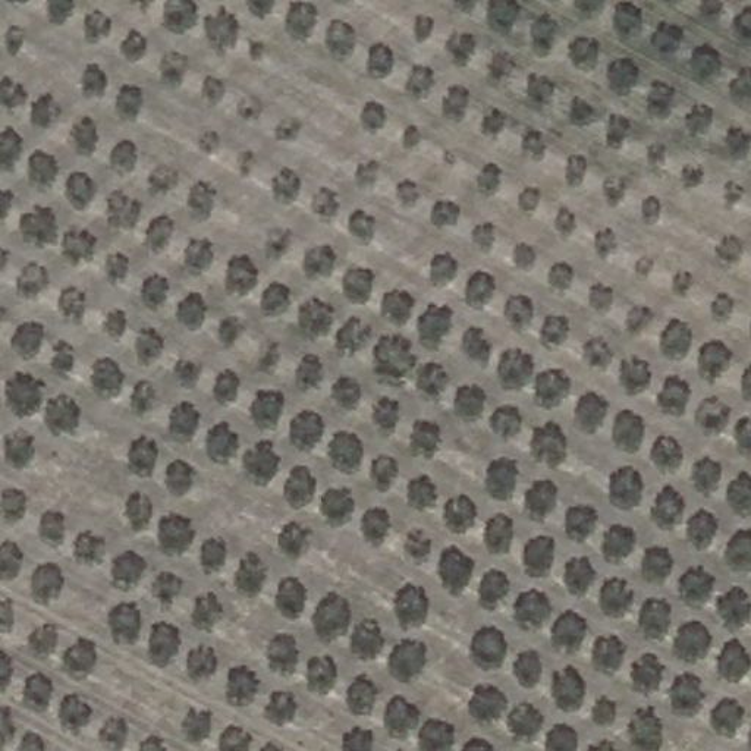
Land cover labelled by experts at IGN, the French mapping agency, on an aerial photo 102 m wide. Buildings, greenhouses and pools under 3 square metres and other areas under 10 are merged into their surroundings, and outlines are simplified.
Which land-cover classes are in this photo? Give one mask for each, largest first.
<instances>
[{"label":"herbaceous vegetation","instance_id":"1","mask_svg":"<svg viewBox=\"0 0 751 751\"><path fill-rule=\"evenodd\" d=\"M197 26L205 29V18L226 9L238 18V38L246 44H267L273 32L285 23L290 3L299 0H194ZM317 6V21L329 26L337 18L349 21L355 26V47H364L370 53L373 44H387L393 50V65L405 67L408 73L417 65H425L446 47L452 35L469 32L475 35V50H487L493 56H496V53H508V56H513V59H516V70H513L510 76H505V79H493V76H490L487 70L466 88V106L484 117V132L499 135L502 129H510L522 138V147L531 155L540 158L543 153H557L566 158H569V155H584V158H587V170L601 176V185L607 191L619 182V176H625L634 185L640 176H657L663 161H648V153L634 161L622 158L619 147L607 141L610 117L622 114L631 120L625 141H640L645 150L663 144L666 155H675L681 167H698L701 179L707 185H719L728 202L751 199V147L739 158H719L707 153L710 144H719L733 126L751 135V100L736 103L730 97V82L739 67H751V0H628L640 6L642 23L631 35H619L613 26V12L625 0H519L516 23L499 32L487 21L490 0H302ZM537 15L554 18L557 38L549 53L537 50L531 38ZM657 23L681 26L684 35L675 53L660 56L651 44V32L657 29ZM581 35L598 41V56L590 67L575 65L569 56V44ZM701 44L716 47L722 65V70L707 82H695L692 76V50ZM616 59H634L640 67V79L628 94H616L607 82V67ZM534 73L554 79V94L543 109H537L528 97V76ZM657 79L675 85V103L663 117L648 109V94ZM41 205L53 208L56 214V232L50 243L26 241L21 232V217ZM91 217L85 208L70 202L67 182L56 176L50 185H35L29 179V164L18 158L9 170H0V496L12 487L23 490L26 496V510L21 519H6L0 510V543L12 540L23 552L18 575L0 578V707H9L15 719V733L9 742L21 748L26 733H38L44 739V751H220V733L229 725L249 730V751H343V733L352 728L373 730L370 751H411L420 745V736L408 730L405 736H396L387 730V704L376 698L370 713H352L346 698L329 704L326 692L311 689L308 669L296 663L293 672H279L270 666L267 657V648L276 634H290L296 628L314 625V610L320 598L329 593L343 596L349 601V610L358 604L370 619H378L381 657L390 660L399 640L425 642V669L414 678L420 689H434L446 704H469L475 686H499L505 692L499 719H508L519 704H534L543 713L537 736L549 739L554 725H572L578 733L575 751H640L628 736V725L640 707H654L663 725L660 751H751V745H736L733 733L716 730L710 716L722 698H736L742 704L739 725L751 730V689L745 692L739 681L722 678L716 663L728 640H739L751 657V613L742 625H725V616L719 613V598L728 590L739 587L745 590L751 604V569L730 566L725 549L736 531L751 528V510H733V505L728 502V487L739 472L751 475V326L733 329L722 340L730 349V364L719 373V378H707V373L698 370V358L686 352L678 358L666 355L660 346V334L648 326L637 334L628 329V323H604L598 317L601 308L590 302V287L584 282L572 279L569 287H554L552 282L531 285L528 267L516 264L513 258L510 264L499 267L490 273L496 290L484 305H469L466 290L452 296L446 305L452 311V326L437 346H425L420 337V317L425 314V308L414 302L408 320L396 323L381 308L384 296L373 290L364 302L349 299L343 290V276L334 267L326 276L308 273L305 252L302 246L290 243L282 255H276L270 246H261L249 255L258 270V279L249 287L252 293L264 296V290L276 282L290 287L287 308L267 314L264 326L296 323L299 308L308 299H323L334 305L329 329L317 337H308L305 349L311 355L320 358L323 370L314 387H305L296 378L299 364L296 358H279L276 340H270L261 349L255 337L241 334L238 320L217 323L211 314H205L199 326H185L176 314L179 302L188 293L202 296L211 285L205 273H194L185 264V258L173 264L164 249H153L144 241L147 226L138 220L132 229H120L109 243L94 246V255L88 261H67L62 252L65 235L70 229H88ZM26 261L47 267V287L59 293L70 285L82 287L85 311H100L103 317H109L111 311H123V334H111L106 323L97 331H91L82 320L65 317L62 308L41 311L35 296L18 290V276ZM147 276L167 279V296L155 308L147 305L141 296V285ZM516 293L534 302L531 320L525 326H513L505 317V302ZM552 314L569 320V334L563 343H543V320ZM349 317H361L370 326V337L358 352L334 346L337 331ZM23 323L44 326V340L35 355H21L12 343L15 329ZM144 329H155L164 340L161 355H155L153 361H141L138 355V334ZM469 329H481L490 340V355L484 361H475L464 352V334ZM384 334H405L411 340V352L417 355V361L443 364L446 387L437 396H425L414 378L378 376L373 364V349ZM590 337H604L610 343V361L604 367L587 361L584 343ZM62 340L73 346V364H88L94 370L100 358L117 361V367L123 370L120 390L109 396L106 390H97L94 381L76 384L70 373L56 370L53 349ZM508 349L528 352L537 370H563V376L569 378L566 396L554 405H543L534 393V384L510 390L499 376V361ZM631 358L648 361L651 370V381L637 393H628L619 378L622 361ZM226 370L238 373L241 384L232 402H220L214 396V381ZM18 373L41 378L38 408L26 417L15 414L6 396V384ZM343 376L361 384V399L355 408L340 405L331 393L337 378ZM669 376H681L689 384V399L681 414H666L657 402L663 381ZM135 381H150L155 390V402L147 414H138L132 408ZM466 384L484 390V405L475 420H466L455 411V393ZM258 390H279L285 396L282 414L273 425H258L252 420V402ZM584 393H598L607 402L604 417L593 431H587L575 417V405ZM56 396H70L79 405L76 431H50L44 417L50 399ZM707 396H722V402L730 408L728 422L719 431L704 428V422L695 420L698 405ZM378 399L399 402V420L393 431L381 428L373 417ZM182 402H191L199 414L197 431L191 437L173 434L167 428L173 408ZM505 405H513L522 414V425L513 437H505L490 425L493 411ZM302 411H314L323 417V434L311 449H299L290 440V422ZM619 411H634L637 417H642V440L637 449H622L613 440V422ZM422 420L440 425V446L434 455H420L411 446L414 425ZM220 422H226L238 434V446L229 461H211L205 449L208 431ZM546 422H557L566 434V458L560 464H546L531 452L534 428ZM337 431H349L361 440L364 455L355 469H337L331 464L329 449ZM18 434L32 437V458L26 466L9 464L3 452L6 437ZM660 434H672L681 443L678 466H660L651 458V446ZM135 437H150L158 446L153 472L132 469L129 446ZM261 440H270L279 458L276 475L264 484H258L255 475H249L243 466L246 452H252ZM381 455L393 458L399 469L390 487L384 490H378L370 472L373 461ZM499 458L516 461V484L508 499H493L487 493V466ZM701 458L722 464V475L713 490L695 487L692 469ZM173 461H185L194 469V484L188 493H173L167 487V466ZM293 466H308V472L314 475V493L305 505H290L285 493ZM619 466H634L642 475V496L634 508H622L610 499V475ZM420 475L431 478L434 484V502L428 508H414L408 499V484ZM534 481H554L557 487L554 508L546 516H534L525 508V496ZM340 487L352 496V513L340 525H334L323 513V496ZM663 487H675L684 496V510L672 528L657 525L651 516L654 499ZM129 493H141L153 502L150 522L141 531H135L126 516ZM455 496H469L475 502V522L466 531L449 528L443 516L446 502ZM575 505L596 508V525L584 540H572L566 534V510ZM373 508L387 510V534L408 540L411 531H422V537L431 540L428 554L411 557L405 546L399 552H387L384 543H370L364 537L361 522L364 513ZM47 510L65 513L62 543H50L38 531L41 516ZM698 510H710L716 516V534L707 546H695L686 534L689 519ZM170 513L188 516L194 525V540L185 552L161 549L158 525ZM496 513L513 519V540L508 552H493L484 540L487 519ZM287 522H302L308 528V546L299 557L287 554L279 543V534ZM613 525H625L634 531V549L619 560L604 557L601 549L604 534ZM82 531L103 537L100 557L91 563L79 560L73 552V543ZM534 537L554 540V557L546 575H528L525 569L522 552L525 543ZM205 540L226 543V560L214 572L205 569L199 557ZM654 546H663L672 554V569L663 581H645L642 575V557ZM446 549H461L472 560V575L461 593H452L440 578V554ZM123 552H135L144 557V575L138 578V584H123L111 578V563ZM249 552H255L264 566V584L255 596L241 593L235 581L238 566ZM572 557H587L593 563V581L584 593H572L563 578L566 563ZM41 563H59L65 575L62 593L47 601H38L32 596V572ZM692 566H701L713 575V590L704 601H686L678 587L681 575ZM493 569L508 575V593L496 607H484L478 593L484 575ZM164 572L182 578V593L173 601H161L153 590L155 578ZM285 578H299L305 587V604L299 616H287L276 604V593ZM607 578H625L628 590L634 593L628 610L619 616H607L598 598ZM408 584L422 587L428 593V616L420 625H402L393 607L396 593ZM528 590H540L552 601L540 628H519L513 616L519 593ZM205 593L217 596V601L223 604V613L211 628L194 625L191 616L194 601ZM645 598H666L672 607L669 628L663 631V637H645L640 628V610ZM120 601H135L141 610V631L132 642H117L109 628V610ZM563 610H572L587 619V634L578 648H560L552 640V628ZM47 622L56 625V645L50 654H35L29 645V634ZM155 622H170L179 628V648L167 666H155L150 660V634ZM684 622H701L710 631V648L698 660H681L675 654V640ZM487 625L505 634L508 651L499 666L484 669L475 663L469 642L472 634ZM598 637L622 640L625 654L619 669H598L593 663V645ZM76 640H91L97 648V666L91 672H67L62 660L67 645H73ZM199 645L214 648L217 669L208 678L191 681L188 654ZM522 651L540 654V681L534 686L522 684L513 672L516 657ZM645 654H654L663 666L660 684L648 692L637 689L631 675L634 663ZM235 666H249L258 675V692L246 704H232L226 698V681ZM566 666H575L584 678V701L575 710L557 707L552 692L554 672H563ZM38 672L53 678L47 707H32L23 698L26 678ZM678 675H698L701 681L704 698L695 713L672 707L669 695ZM276 689H290L296 698V713L290 722L267 719V704ZM70 692H76L91 707V719L82 728L62 725L59 707L62 698ZM188 710L211 713V730L199 742L188 739L185 733ZM109 719H126L123 748L100 739V730Z\"/></svg>","mask_w":751,"mask_h":751},{"label":"deciduous trees","instance_id":"2","mask_svg":"<svg viewBox=\"0 0 751 751\"><path fill-rule=\"evenodd\" d=\"M194 0H167L164 23L173 32L185 29L191 38L205 35L217 53L232 47L238 38V18L226 9L205 18V29L197 26ZM317 21V6L302 0H299L290 3L285 23L290 35L305 38ZM519 0H490L487 21L499 32L516 23ZM642 23L640 6L628 0H625L613 12V26L619 35H631ZM111 18L103 12H91L85 18V35L97 41L109 35ZM531 38L537 50L549 53L557 38L554 18L537 15ZM326 44L331 56H349L355 47V26L349 21L337 18L329 26ZM684 35L681 26L657 23V29L651 32V44L660 56L675 53ZM123 53L141 59L147 53V38L138 29H132L123 38ZM446 47L458 65H464L475 50V35L469 32L452 35ZM569 56L575 65L590 67L598 56V41L581 35L569 44ZM370 73L384 76L387 88H408L411 97H422L434 85V70L425 65H417L408 73L405 67L393 65V50L387 44H373L370 53ZM722 70V65L716 47L701 44L692 50V76L695 82H707ZM188 70V56L167 53L161 59V76L170 85H176ZM513 70H516V59H513V56H508V53H496V56H493V59H490V67H487V70L490 76H493V79H505V76H510ZM640 79V67L634 59H616L607 67V82L616 94H628ZM82 88L88 94H103L106 73L97 65H88ZM730 97L736 103L751 100V67H739L730 82ZM554 94V79L534 73L528 76V97L537 109H543ZM26 88L9 76L0 79V103L9 109L21 106ZM675 103V85L657 79L648 94V109L663 117ZM117 111L135 117L141 111V88L123 85L117 94ZM466 88L452 85L443 100V111L452 120H461L466 106ZM62 117V106L50 94H41L32 106V123L50 126ZM631 120L622 114L610 117L607 141L619 147L622 158L634 161L648 153V161H663L666 155L663 144L645 150L640 141H625ZM73 144L79 153H94L97 126L91 117H82L73 126ZM751 147V135L733 126L719 144H710L707 153L719 158H739ZM21 135L15 129L0 132V170H9L18 158ZM111 161H114V164H120V167H126V170H132V167H135V144H132V141H120V144H114V150H111ZM29 179L35 185H50L56 176V158L50 153H32L29 164ZM584 173H587V158H584V155H569V158H566V182H569V185H578V182L584 179ZM179 182V167L161 164L150 173V188L155 194L176 188ZM273 194L282 199H293L299 194V176L290 167H285L279 176H273ZM70 202L85 208L91 217L88 229H70L65 235L62 252L67 261H88L94 255V246L109 243L120 229H132L138 220L141 202L135 197L114 191L103 205L94 199V179L88 173H70L67 182ZM188 205L194 208V214L208 217L214 205V188L208 182H197L191 188ZM431 220L437 226H449L458 220V205L443 199L434 202ZM21 232L26 241L50 243L56 232V214L53 208L41 205L21 217ZM349 232L355 238L370 241L376 232V217L367 211H352ZM144 241L153 249H164L173 264L185 258V264L194 273H205L211 285L226 279L232 290H241L252 305L261 302L267 314L287 308L290 287L276 282L264 290V296L252 293L249 287L258 279V270L249 255H235L229 267H223L211 258V241L194 238L185 246L182 241H176L173 220L167 214L153 217L147 226ZM472 238L481 249L493 252V261L499 267L510 264L513 258L516 264L528 267L534 264V246L519 243L513 249L505 241H493V223H481L472 229ZM334 267L331 246H317L305 252L308 273L326 276ZM458 270V261L443 252L431 258L434 285L449 282ZM47 267L26 261L18 276V290L35 296L41 311L62 308L65 317L82 320L91 331H97L106 323L111 334H123V311H111L109 317H103L100 311H85L82 287L70 285L59 293L47 287ZM343 290L349 299L364 302L373 290V270L367 267H352L343 276ZM496 290L490 273H472L466 279V290L469 305H484ZM141 296L147 305L155 308L167 296V279L147 276L141 285ZM414 302L408 290H390L384 296L381 308L396 323L408 320ZM176 314L185 326H199L205 314L202 296L188 293L179 302ZM534 302L516 293L505 302V317L513 326H525L531 320ZM334 305L323 299H308L299 308L296 323L299 334L308 337H317L329 329ZM452 326V311L446 305L425 308V314L420 317V337L425 346H437ZM543 343H563L569 334V320L552 314L543 320ZM370 337V326L361 317H349L337 331L334 346L358 352ZM692 331L684 320H669L660 334V346L666 355L678 358L686 352ZM44 340V326L23 323L15 329L12 343L21 355H35ZM164 340L155 329H144L138 334V355L141 361H153L155 355H161ZM464 352L475 361H484L490 355V340L481 329H469L464 334ZM373 364L378 376L414 378L425 396H437L446 387L443 364L417 361V355L411 352V340L405 334H384L373 349ZM587 361L604 367L610 361V343L604 337H590L584 343ZM56 370L70 373L76 384L94 381L97 390H106L109 396L120 390L123 370L117 367V361L100 358L94 370L88 364H73V346L62 340L53 349ZM730 364V349L722 340L704 343L698 358V370L707 373V378H719V373ZM499 376L510 390L534 384V393L543 405H554L566 396L569 378L563 376V370H537L528 352L508 349L499 361ZM323 370L320 358L311 355H305L299 364L296 378L305 387H314ZM619 378L628 393H637L651 381V370L648 361L631 358L622 361ZM241 384L238 373L226 370L214 381V396L220 402H232ZM6 396L15 414L26 417L38 408L41 378L18 373L6 384ZM331 393L340 405L355 408L361 399V384L343 376L337 378ZM689 399V384L681 376H669L663 381L657 402L666 414H681ZM155 402V390L150 381H135L132 408L138 414H147ZM484 405V390L466 384L455 393V411L466 420H475ZM285 396L279 390H258L252 402V420L258 425H273L282 414ZM607 402L598 393H584L575 405V417L587 431H593L604 417ZM50 431H76L79 405L70 396H56L50 399L44 417ZM730 408L722 402V396H707L698 405L695 420L704 422V428L719 431L728 422ZM373 417L381 428L393 431L399 420V402L378 399ZM199 414L191 402H182L173 408L167 428L173 434L191 437L197 431ZM490 425L505 437H513L522 425V414L513 405H505L493 411ZM323 434V417L314 411H302L290 422V440L299 449H311ZM613 440L622 449H637L642 440V417H637L634 411H619L613 422ZM411 446L420 455H434L440 446V425L422 420L414 425ZM238 446V434L226 422H220L208 431L205 449L211 461H229ZM531 452L546 464H560L566 458V434L557 422H546L534 428ZM331 464L337 469H355L364 455L361 440L349 431H337L329 449ZM3 452L9 464L26 466L32 458V437L18 434L6 437ZM651 458L660 466H678L681 443L672 434H660L651 446ZM158 446L150 437H135L129 446L132 469L153 472ZM243 466L249 475H255L258 484H264L276 475L279 458L270 440H261L252 452H246ZM370 472L378 490H384L390 487L399 469L393 458L381 455L373 461ZM516 484V461L499 458L487 466V493L493 499H508ZM722 475V464L701 458L692 469L695 487L713 490ZM194 484V469L185 461H173L167 466V487L173 493H188ZM285 493L290 505H305L314 493V475L308 472V466H293ZM642 496V475L634 466H619L610 475V499L622 508H634ZM728 502L733 505V510H751V475L739 472L728 487ZM408 499L414 508H428L434 502V484L431 478L420 475L408 484ZM557 487L554 481H534L525 496V508L534 516H546L554 508ZM0 510L6 519H21L26 510V496L23 490L12 487L0 496ZM323 513L334 525H340L352 513V496L340 487L323 496ZM684 510V496L675 487H663L654 499L651 516L657 525L672 528ZM153 502L141 493H129L126 516L135 531H141L150 522ZM443 516L449 528L466 531L475 522V502L469 496H455L446 502ZM596 525V508L575 505L566 510V534L572 540H584ZM364 537L370 543H384L387 552H399L405 546L411 557L428 554L431 540L422 537V531H411L408 540L387 534V510L373 508L364 513L361 522ZM38 531L50 543H62L65 513L47 510L41 516ZM686 534L695 546H707L716 534V516L710 510H698L689 519ZM161 549L185 552L194 540V525L188 516L170 513L158 525ZM484 540L493 552H508L513 540V519L496 513L487 519ZM279 543L287 554L299 557L308 546V528L302 522H287L279 534ZM601 549L604 557L619 560L634 549V531L625 525H613L604 534ZM730 566L751 569V528L736 531L725 549ZM103 537L82 531L73 543V552L79 560L91 563L100 557ZM525 569L528 575H546L554 557V540L534 537L525 543L522 552ZM23 552L12 540L0 543V578L18 575ZM199 557L205 569L214 572L226 560V543L205 540ZM672 569V554L663 546H654L642 557V575L645 581H663ZM472 575V560L461 549H446L440 554V578L452 593H461ZM144 575V557L135 552H123L111 563V578L123 584H138V578ZM235 581L241 593L255 596L264 584V566L255 552H249L238 566ZM563 578L572 593H584L593 581V563L587 557H572L566 563ZM65 575L59 563H41L32 572V596L38 601H47L62 593ZM678 587L686 601H704L713 590V575L701 566H692L681 575ZM508 593V575L493 569L484 575L478 593L484 607H496ZM153 590L161 601H173L182 593V578L164 572L155 578ZM276 604L287 616H299L305 604V587L299 578H285L276 593ZM634 593L628 590L625 578H607L598 598L607 616H619L628 610ZM393 607L402 625H420L428 616V593L422 587L408 584L396 593ZM719 613L725 616V625H742L751 613V604L745 590L739 587L728 590L719 598ZM552 601L540 590H528L519 593L513 616L519 628H540ZM223 613V604L217 601V596L205 593L194 601L191 616L194 625L211 628ZM320 640L343 634L352 640V651L358 657H370L376 669L390 666V672L399 681L414 678L425 669V642L399 640L390 660L381 657L378 619H370L358 604L349 610V601L343 596L329 593L320 598L314 610V625ZM672 607L666 598H645L640 610V628L645 637H663V631L669 628ZM109 628L117 642H132L141 631V610L135 601H120L109 610ZM587 634V619L572 610H563L552 628V640L560 648H578ZM29 645L35 654H50L56 645V625L47 622L29 634ZM179 648V628L170 622H155L150 634V660L155 666H167ZM710 648V631L701 622H684L675 640V654L681 660H698ZM475 663L484 669L499 666L508 651L505 634L487 625L472 634L469 642ZM267 657L270 666L279 672H293L296 663V640L290 634H276L267 648ZM625 654L622 640L598 637L593 645V663L598 669H619ZM62 660L67 672H91L97 666V648L91 640H76L73 645H67ZM722 678L739 681L745 692L751 689V657L739 640H728L716 663ZM217 669L214 648L199 645L188 654L191 681L208 678ZM513 672L522 684L534 686L540 681V654L522 651L516 657ZM631 675L637 689L648 692L660 684L663 666L654 654H645L634 663ZM311 689L326 692L329 704L346 698L352 713H370L376 698L378 686L367 675H358L352 684L340 681L331 657H311L308 669ZM258 692V675L249 666H235L226 681V698L232 704H246ZM552 692L557 707L575 710L584 701V678L575 666H566L563 672H554ZM53 678L38 672L26 678L23 698L32 707H47ZM672 707L695 713L704 698L701 681L698 675H678L669 695ZM505 692L499 686H475L469 704V713L478 722L499 719ZM296 713V698L290 689H276L267 704V719L290 722ZM62 725L82 728L91 719V707L76 692H70L62 698L59 707ZM387 730L396 736H405L408 730L420 736V745L411 751H493L487 739H469L464 748L455 745V725L428 719L417 704H411L402 695L390 698L387 704ZM716 730L733 733L736 745H751V730L739 725L742 704L736 698H722L710 716ZM543 713L534 704H519L508 719L516 736L534 742V751H575L578 733L572 725H554L549 739L537 736ZM15 733V719L9 707H0V751H44V739L38 733H26L21 748L9 742ZM628 736L640 751H660L663 725L654 707H640L628 725ZM211 730V713L188 710L185 733L188 739L199 742ZM100 739L123 748L126 719H109L100 730ZM249 730L229 725L220 733V751H249ZM373 730L352 728L343 733V751H370Z\"/></svg>","mask_w":751,"mask_h":751},{"label":"plowed land","instance_id":"3","mask_svg":"<svg viewBox=\"0 0 751 751\"><path fill-rule=\"evenodd\" d=\"M167 0H0V79L9 76L26 88L21 106L9 109L0 103V132L15 129L21 135L18 158L29 164L32 153H50L56 158V176L67 182L70 173H88L94 179V199L103 205L114 191L135 197L141 202L138 220L147 226L153 217L167 214L173 220L176 241H182L185 246L194 238L211 241V258L223 267H229L235 255H249L261 246H270L276 255H282L290 243L302 246L305 252L317 246H331L334 267L343 276L352 267H367L373 270V290L384 296L390 290H408L414 302L425 308L446 305L452 296L466 290V279L472 273H490L499 267L493 261V252L481 249L472 238V229L481 223H493V241H505L513 249L519 243L534 246V264L528 267L531 285L552 282L554 287H569L572 279L584 282L590 287V302L601 308L598 317L604 323H628V329L637 334L648 326L660 334L669 320H684L692 331L686 352L698 358L704 343L722 340L733 329L751 326V199L728 202L719 185H707L701 179L698 167H681L675 155H666L663 161L657 176H640L634 185L625 176H619V182L607 191L601 185V176L587 170V173H584V179L578 182V185H569V182H566V158L557 153H543L540 158L531 155L522 147V138L510 129H502L499 135L484 132V117L466 106L461 120H452L443 111V100L452 85L466 88L487 70V67H490V59H493V56L487 50H475L464 65H458L446 47L425 65L434 70V85L422 97H411L408 88H387L384 76L370 73V53L364 47H355L349 56H331L326 44L329 26L317 21L305 38L290 35L285 23L273 32L267 44H246L238 38L232 47L217 53L205 35L191 38L185 29L173 32L164 23ZM91 12H103L111 18L109 35L97 41L85 35V18ZM132 29H138L147 38V53L141 59L123 53V38ZM167 53L188 56V70L176 85H170L161 76V59ZM88 65H97L106 73L103 94H88L82 88ZM123 85L141 88V111L135 117L117 111V94ZM41 94H50L62 106V117L50 126L32 123V106ZM82 117H91L97 126L94 153H79L73 144V126ZM120 141H132V144H135V167H132V170H126V167H120V164H114V161H111V150H114V144H120ZM161 164L179 167V182L176 188L155 194L150 188V173ZM285 167H290L299 176V194L293 199H282L273 194V176H279ZM197 182H208L214 188V205L208 217L194 214V208L188 205L191 188ZM443 199L458 205V220L449 226H437L431 220L434 202ZM352 211H367L376 217V232L370 241L355 238L349 232ZM443 252L458 261V270L449 282L434 285L431 258ZM205 314H211L217 323L238 320L241 334L255 337L261 349L270 340H276L279 358H296L299 364L305 355H311L305 349L308 337L299 334L296 323L264 326L267 314L261 302L252 305L241 290H232L226 279L211 285L202 296ZM296 640V663L308 669L311 657H331L340 681L352 684L358 675H367L378 686L376 698L387 704L390 698L402 695L411 704H417L428 719L455 725V745L464 748L469 739H487L493 751H534V742L516 736L508 719H499L478 722L469 713V704H446L434 689H420L414 678L399 681L390 672V666L376 669L370 657H358L352 651V640L343 634L320 640L314 625L296 628L290 634Z\"/></svg>","mask_w":751,"mask_h":751}]
</instances>
